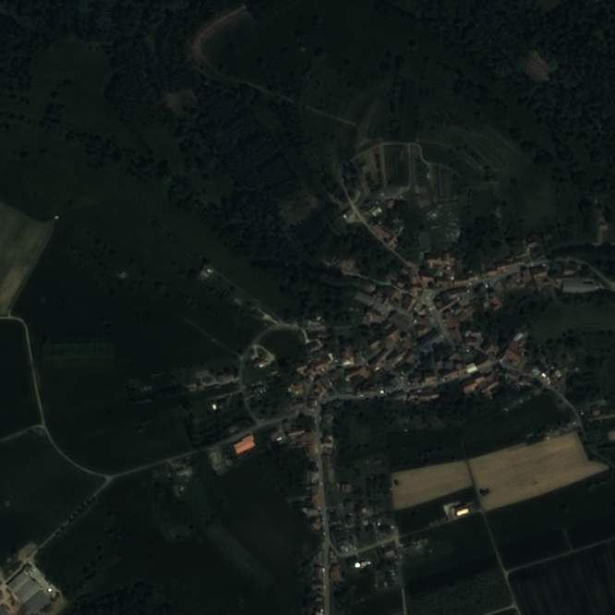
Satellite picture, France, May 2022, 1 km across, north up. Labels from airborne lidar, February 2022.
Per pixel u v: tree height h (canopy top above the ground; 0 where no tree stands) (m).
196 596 0
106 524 0
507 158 0
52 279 0
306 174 0
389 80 0
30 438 0
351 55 0
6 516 0
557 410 0
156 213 0
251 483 0
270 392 0
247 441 0
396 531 0
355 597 0
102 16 35
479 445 0
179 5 24
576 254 12
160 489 7
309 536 0
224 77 0
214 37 0
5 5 8
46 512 0
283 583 0
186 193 20
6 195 0
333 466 0
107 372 0
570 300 13
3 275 0
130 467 0
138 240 0
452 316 0
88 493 0
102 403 0
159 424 0
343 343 16
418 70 0
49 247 0
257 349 0
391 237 0
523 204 0
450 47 23
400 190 0
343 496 0
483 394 6
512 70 30
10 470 0
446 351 9
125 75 22
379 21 0
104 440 0
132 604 28
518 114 0
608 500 0
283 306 0
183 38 20
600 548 0
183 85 30
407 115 0
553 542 0
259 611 0
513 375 0
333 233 7
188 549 0
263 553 0
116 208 0
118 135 0
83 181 0
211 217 19
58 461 0
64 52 0
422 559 0
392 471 0
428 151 0
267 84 0
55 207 0
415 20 20
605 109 27
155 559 0
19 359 0
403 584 0
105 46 19
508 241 14
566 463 0
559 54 36
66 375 0
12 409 0
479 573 0
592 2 20
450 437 0
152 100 19
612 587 0
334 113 0
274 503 0
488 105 23
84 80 0
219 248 0
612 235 0
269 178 22
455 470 0
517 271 0
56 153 0
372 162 0
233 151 27
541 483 0
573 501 0
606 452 11
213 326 0
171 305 0
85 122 0
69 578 0
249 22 0
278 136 0
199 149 14
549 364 8
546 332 0
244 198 23
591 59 33
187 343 0
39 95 0
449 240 0
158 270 0
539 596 0
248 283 0
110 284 0
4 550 0
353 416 12
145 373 0
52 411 0
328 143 0
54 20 31
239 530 0
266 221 27
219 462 0
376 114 0
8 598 0
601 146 13
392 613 0
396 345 0
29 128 0
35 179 0
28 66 13
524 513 0
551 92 15
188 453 0
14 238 0
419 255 0
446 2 17
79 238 0
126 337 0
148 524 0
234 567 0
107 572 0
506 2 35
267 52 0
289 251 31
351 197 8
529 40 31
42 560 0
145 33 23
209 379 0
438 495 0
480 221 12
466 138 0
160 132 0
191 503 0
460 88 18
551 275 11
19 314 0
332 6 0
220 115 26
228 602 0
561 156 23
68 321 0
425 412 9
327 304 10
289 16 0
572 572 0
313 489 0
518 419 0
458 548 0
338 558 0
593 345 0
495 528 0
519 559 0
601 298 10
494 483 0
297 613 0
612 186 17
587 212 22
